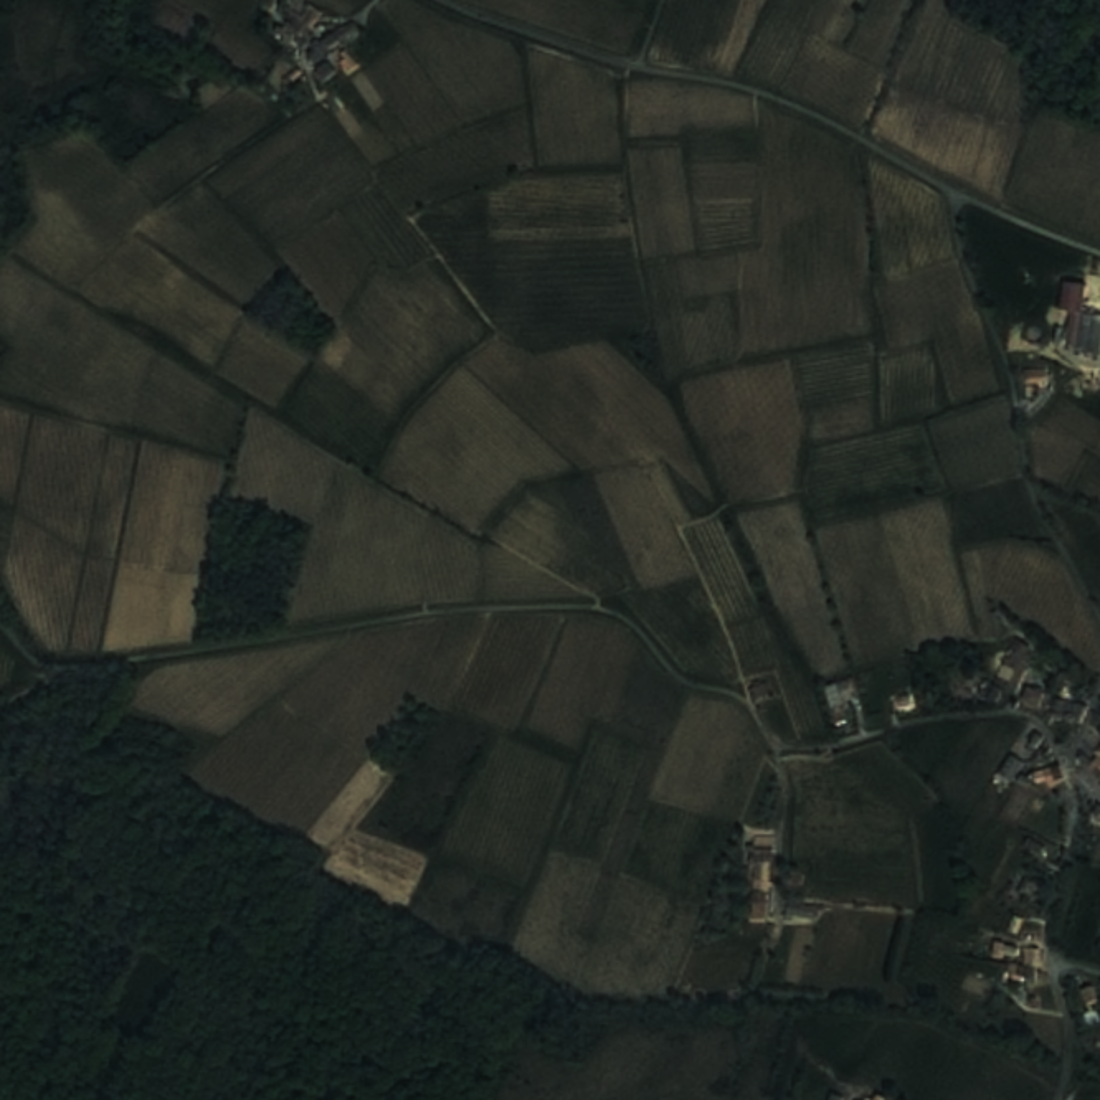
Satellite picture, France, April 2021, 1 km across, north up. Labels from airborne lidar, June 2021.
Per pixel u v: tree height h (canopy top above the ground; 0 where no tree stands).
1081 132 0
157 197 0
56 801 17
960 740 0
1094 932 0
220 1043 19
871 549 0
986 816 0
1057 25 23
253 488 0
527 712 0
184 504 0
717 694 0
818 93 0
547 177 0
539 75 0
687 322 0
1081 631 0
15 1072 21
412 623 0
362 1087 24
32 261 0
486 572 0
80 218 0
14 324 0
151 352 0
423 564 0
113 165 0
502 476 0
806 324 0
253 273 0
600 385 0
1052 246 0
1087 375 0
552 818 0
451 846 0
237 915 21
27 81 0
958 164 0
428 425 0
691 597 0
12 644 0
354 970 29
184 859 22
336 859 0
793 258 0
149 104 0
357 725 0
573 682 0
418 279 0
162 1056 17
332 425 0
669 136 0
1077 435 0
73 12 0
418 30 0
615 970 0
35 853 24
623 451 0
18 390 0
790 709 0
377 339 0
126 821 18
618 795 0
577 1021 22
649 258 0
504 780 0
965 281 0
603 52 0
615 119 0
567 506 0
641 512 0
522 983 28
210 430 0
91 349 0
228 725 0
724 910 13
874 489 0
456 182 0
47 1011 19
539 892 0
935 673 8
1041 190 0
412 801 0
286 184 0
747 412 0
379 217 0
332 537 0
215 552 18
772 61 0
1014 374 12
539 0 0
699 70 0
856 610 0
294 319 21
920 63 0
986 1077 0
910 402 0
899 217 0
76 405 0
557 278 0
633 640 0
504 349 0
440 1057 25
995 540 0
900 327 0
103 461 0
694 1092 0
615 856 0
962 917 11
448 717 0
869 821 0
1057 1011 0
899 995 0
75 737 24
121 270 0
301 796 0
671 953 0
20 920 29
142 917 17
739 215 0
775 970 0
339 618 0
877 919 0
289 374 0
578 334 0
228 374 0
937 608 0
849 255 0
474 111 0
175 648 0
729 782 0
